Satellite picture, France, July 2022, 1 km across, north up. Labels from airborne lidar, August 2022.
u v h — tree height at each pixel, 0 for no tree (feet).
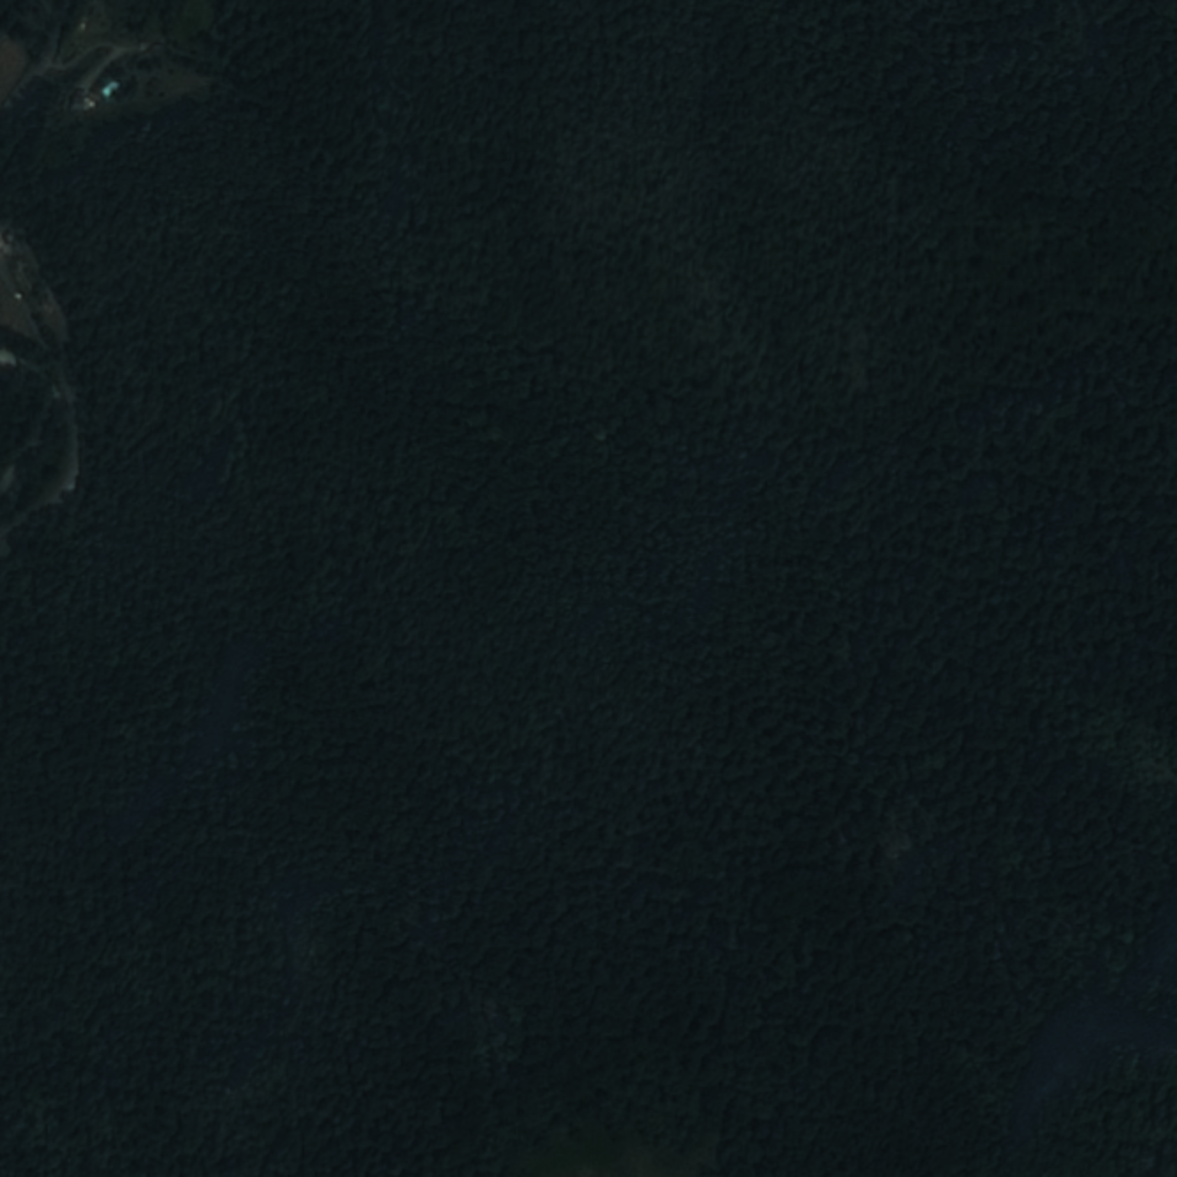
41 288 21
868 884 94
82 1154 46
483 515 64
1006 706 79
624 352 81
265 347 52
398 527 47
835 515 71
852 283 24
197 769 52
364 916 60
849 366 19
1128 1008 73
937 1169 84
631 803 91
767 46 39
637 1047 49
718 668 51
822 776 115
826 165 56
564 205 37
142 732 66
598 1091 29
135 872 59
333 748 66
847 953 105
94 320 28
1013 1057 87
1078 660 85
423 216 48
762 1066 26
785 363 53
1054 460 76
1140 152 95
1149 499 35
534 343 81
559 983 94
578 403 91
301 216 69
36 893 67
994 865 87
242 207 56
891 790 61
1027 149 115
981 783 94
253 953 46
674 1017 111
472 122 54
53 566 44
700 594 47
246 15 61
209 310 58
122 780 63
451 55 46
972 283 38
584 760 73
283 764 60
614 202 38
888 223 24
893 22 89
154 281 43
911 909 93
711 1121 33
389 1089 61
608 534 75
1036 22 105
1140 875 84
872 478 52
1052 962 71
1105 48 115
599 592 62
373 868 58
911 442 87
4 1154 63
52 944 60
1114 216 76
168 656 46
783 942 68
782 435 97
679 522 62
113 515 31
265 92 88
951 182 70
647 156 33
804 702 77
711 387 80
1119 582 109
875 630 102
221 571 46
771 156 34
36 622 46
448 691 58
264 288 43
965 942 93
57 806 77
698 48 36
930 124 90
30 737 67
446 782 84
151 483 68
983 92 99
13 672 38
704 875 33
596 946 73
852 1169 79
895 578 69
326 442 52
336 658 95
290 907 34
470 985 90
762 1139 60
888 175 54
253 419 42
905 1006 86
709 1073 70
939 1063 88
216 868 73
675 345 75
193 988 31
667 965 114
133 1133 46
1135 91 114
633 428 92
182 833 63
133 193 63
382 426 55
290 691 72
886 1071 84
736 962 107
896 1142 87
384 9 90
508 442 80
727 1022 88
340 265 80
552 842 95
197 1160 77
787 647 64
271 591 74
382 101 61
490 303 71
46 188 64
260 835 66
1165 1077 63
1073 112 107
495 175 52
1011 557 65
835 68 58
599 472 95
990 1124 35
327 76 48
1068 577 83
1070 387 84
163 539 58
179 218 41
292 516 77
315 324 59
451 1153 81
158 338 63
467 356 94
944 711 136
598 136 23
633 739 59
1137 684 90
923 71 89
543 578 49
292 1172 72
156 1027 76
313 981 48
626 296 29
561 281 58
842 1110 74
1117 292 61
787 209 54
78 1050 74
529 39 78
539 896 95
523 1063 58
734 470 69
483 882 74
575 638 29
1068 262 73
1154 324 63
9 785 62
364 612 68
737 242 49
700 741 36
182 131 49
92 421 56
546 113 61
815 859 35
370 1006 38
